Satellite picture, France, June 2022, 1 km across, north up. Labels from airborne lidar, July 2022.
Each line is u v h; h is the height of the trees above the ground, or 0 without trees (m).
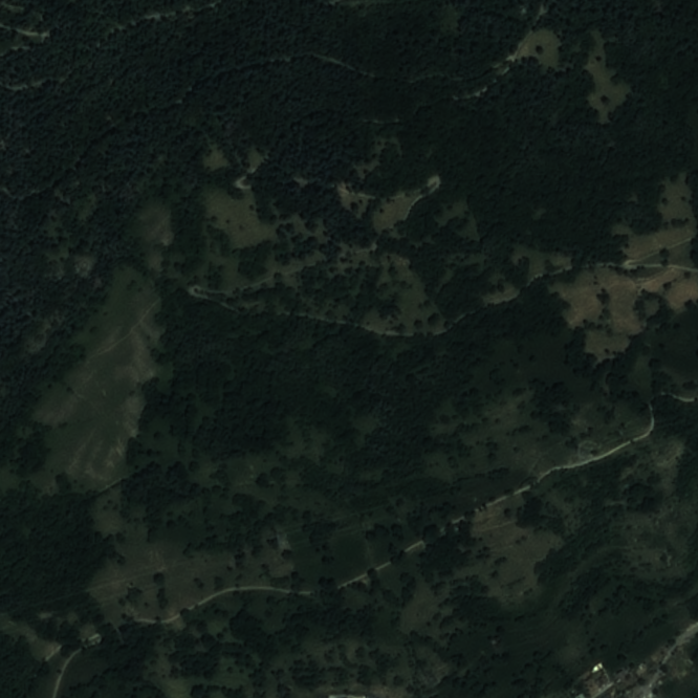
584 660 8
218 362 13
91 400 0
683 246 0
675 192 0
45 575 13
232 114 27
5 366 8
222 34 26
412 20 17
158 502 22
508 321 9
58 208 21
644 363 0
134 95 19
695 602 9
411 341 9
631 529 8
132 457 13
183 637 9
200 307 15
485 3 13
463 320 8
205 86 32
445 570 12
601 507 15
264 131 23
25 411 14
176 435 12
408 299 0
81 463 0
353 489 17
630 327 0
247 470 0
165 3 20
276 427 12
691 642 0
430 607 0
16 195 15
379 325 0
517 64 12
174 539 0
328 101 18
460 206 0
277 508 9
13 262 13
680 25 17
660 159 14
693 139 20
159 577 15
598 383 11
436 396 12
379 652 14
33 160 21
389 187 11
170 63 24
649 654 0
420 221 6
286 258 12
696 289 0
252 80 26
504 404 7
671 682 0
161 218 0
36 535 15
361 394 16
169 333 16
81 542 17
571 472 6
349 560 0
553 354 0
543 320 10
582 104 9
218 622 0
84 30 29
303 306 8
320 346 16
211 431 11
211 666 9
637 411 9
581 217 9
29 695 15
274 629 0
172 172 8
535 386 8
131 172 13
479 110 8
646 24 16
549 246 11
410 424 10
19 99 8
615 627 0
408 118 15
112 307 0
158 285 12
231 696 14
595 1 19
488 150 18
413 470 8
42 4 23
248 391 12
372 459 14
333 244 22
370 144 9
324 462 13
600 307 0
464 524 14
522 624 13
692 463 9
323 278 14
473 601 15
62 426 7
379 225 0
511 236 12
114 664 16
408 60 16
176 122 20
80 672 0
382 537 16
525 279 16
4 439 9
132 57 16
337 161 20
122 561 14
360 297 11
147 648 18
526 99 18
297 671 10
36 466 12
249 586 0
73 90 15
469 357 16
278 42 20
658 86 8
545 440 7
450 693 0
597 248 15
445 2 15
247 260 9
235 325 12
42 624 10
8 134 28
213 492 11
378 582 13
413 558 0
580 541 11
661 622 13
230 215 0
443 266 10
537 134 16
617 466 13
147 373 0
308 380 6
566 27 8
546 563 8
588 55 14
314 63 23
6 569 11
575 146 13
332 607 14
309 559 0
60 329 14
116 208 8
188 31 16
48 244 13
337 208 19
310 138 27
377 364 16
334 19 19
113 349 0
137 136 15
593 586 12
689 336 0
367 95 17
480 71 18
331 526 15
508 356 0
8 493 7
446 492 10
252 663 13
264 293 17
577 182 20
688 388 11
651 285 0
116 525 0
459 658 10
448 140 17
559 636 0
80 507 16
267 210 15
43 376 19
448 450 11
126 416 0
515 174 17
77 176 24
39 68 18
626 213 16
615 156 22
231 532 10
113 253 24
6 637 12
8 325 26
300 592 9
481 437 0
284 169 18
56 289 19
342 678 8
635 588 8
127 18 14
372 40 10
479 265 9
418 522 17
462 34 12
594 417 0
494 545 0
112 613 0
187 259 6
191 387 15
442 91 17
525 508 7
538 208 8
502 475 11
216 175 9
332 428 8
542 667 9
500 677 0
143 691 12
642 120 17
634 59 12
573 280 9
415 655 7
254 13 21
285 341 9
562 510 6
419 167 7
